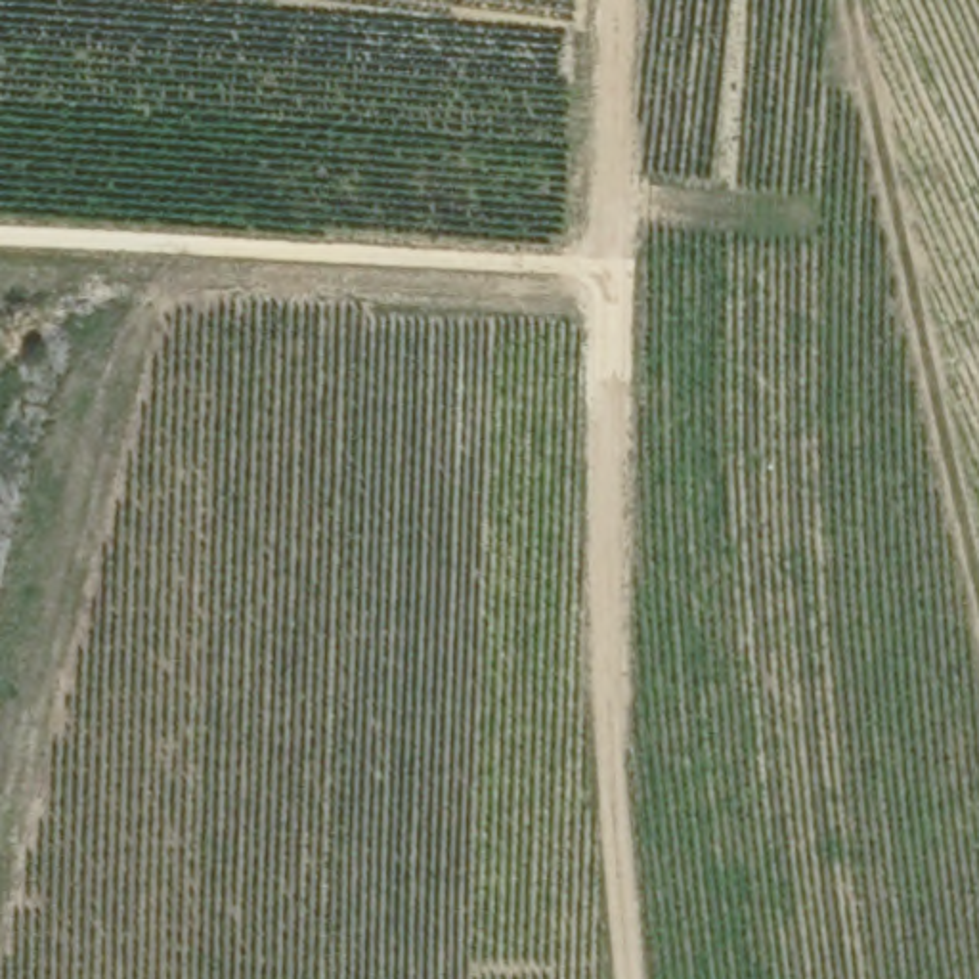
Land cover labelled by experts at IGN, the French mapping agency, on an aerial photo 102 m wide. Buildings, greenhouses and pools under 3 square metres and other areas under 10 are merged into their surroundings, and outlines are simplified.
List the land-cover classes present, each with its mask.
<instances>
[{"label":"vineyard","instance_id":"1","mask_svg":"<svg viewBox=\"0 0 979 979\"><path fill-rule=\"evenodd\" d=\"M600 0H0V229L15 222L119 226L405 249L451 237L482 245H539L543 252H555L581 237L589 218V134ZM635 122L642 134V180L658 184L662 191L658 218L639 229L635 252V555L631 715L623 753L646 979H979V0H646ZM585 321L577 314L574 294L566 291V279L555 272L333 264L199 252L8 249L0 241V979H616L589 688Z\"/></svg>","mask_w":979,"mask_h":979},{"label":"pervious surface","instance_id":"2","mask_svg":"<svg viewBox=\"0 0 979 979\"><path fill-rule=\"evenodd\" d=\"M646 0H600L589 134V218L581 237L555 252H543L539 245H482L451 237L405 249L119 226L15 222L0 229V241L8 249L199 252L333 264L555 272L566 279V291L574 294L577 314L585 321L589 688L616 979H646L623 753L631 715L635 555V252L639 229L658 218L662 191L658 184L642 180V134L635 122Z\"/></svg>","mask_w":979,"mask_h":979}]
</instances>
